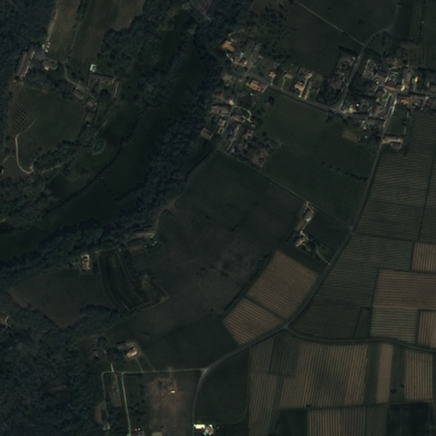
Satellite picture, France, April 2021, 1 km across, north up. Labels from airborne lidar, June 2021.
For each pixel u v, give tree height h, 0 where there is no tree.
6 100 18
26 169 0
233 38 15
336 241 0
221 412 0
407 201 0
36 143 0
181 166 7
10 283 12
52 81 16
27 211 19
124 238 10
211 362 0
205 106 15
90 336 18
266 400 0
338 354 0
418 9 0
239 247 0
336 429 0
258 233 0
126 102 23
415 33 0
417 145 0
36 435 19
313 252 8
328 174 0
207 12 26
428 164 0
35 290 0
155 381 0
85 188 8
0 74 21
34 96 0
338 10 0
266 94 0
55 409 9
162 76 16
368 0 0
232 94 8
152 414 0
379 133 8
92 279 0
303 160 0
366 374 0
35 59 0
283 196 0
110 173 0
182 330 0
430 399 0
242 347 0
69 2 0
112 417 17
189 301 0
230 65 11
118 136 0
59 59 0
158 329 0
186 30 20
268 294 0
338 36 0
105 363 0
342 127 0
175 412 0
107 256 0
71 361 18
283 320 0
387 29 0
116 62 14
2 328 12
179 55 12
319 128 0
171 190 25
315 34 0
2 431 28
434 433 0
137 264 0
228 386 0
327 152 0
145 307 0
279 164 0
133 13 0
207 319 0
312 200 0
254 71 0
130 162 0
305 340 0
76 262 7
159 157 31
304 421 0
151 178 16
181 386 0
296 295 0
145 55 20
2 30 19
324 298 0
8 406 20
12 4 12
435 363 0
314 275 0
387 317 0
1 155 12
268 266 0
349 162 0
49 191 19
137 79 0
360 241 0
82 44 0
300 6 0
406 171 0
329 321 0
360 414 0
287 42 0
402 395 0
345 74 9
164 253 0
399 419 0
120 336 0
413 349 0
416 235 0
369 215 0
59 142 0
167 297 0
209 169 0
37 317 17
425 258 0
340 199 0
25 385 36
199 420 0
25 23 20
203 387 0
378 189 0
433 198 0
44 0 22
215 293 0
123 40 19
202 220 0
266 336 0
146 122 0
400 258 0
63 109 0
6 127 18
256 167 6
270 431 0
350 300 0
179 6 29
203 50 18
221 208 0
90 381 8
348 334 0
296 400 0
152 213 18
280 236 0
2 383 17
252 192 0
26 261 18
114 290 0
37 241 0
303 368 0
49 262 20
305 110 0
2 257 0
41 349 38
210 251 0
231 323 0
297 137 0
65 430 20
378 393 0
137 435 0
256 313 0
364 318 0
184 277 0
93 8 0
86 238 25
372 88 0
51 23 14
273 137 0
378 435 0
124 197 12
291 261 0
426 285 0
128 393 0
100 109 15
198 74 0
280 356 0
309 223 0
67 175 10
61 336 17
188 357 0
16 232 15
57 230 0
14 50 19
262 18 12
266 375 0
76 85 0
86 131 20
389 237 0
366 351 0
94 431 7
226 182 0
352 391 0
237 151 18
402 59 10
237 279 0
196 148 16
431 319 0
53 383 0
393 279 0
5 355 30
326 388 0
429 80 0
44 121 0
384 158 0
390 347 0
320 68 0
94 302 0
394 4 0
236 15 9
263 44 0
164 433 0
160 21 30
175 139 18
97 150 0
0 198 19
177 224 0
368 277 0
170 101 0
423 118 0
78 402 21
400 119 0
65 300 0
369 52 5
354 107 0
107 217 0
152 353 0
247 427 0
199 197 0
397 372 0
